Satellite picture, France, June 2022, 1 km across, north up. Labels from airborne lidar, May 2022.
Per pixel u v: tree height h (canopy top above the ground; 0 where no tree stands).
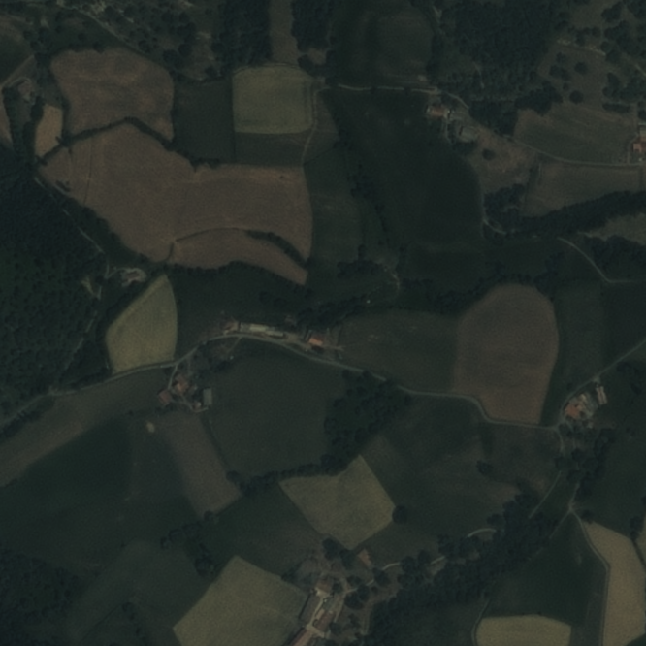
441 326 0
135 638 0
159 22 0
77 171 0
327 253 0
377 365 0
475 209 0
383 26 0
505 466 0
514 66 12
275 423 0
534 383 0
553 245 0
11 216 23
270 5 14
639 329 0
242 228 0
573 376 0
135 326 0
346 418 0
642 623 0
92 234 11
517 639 0
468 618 0
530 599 0
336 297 0
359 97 0
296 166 0
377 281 0
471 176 0
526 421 0
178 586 0
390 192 0
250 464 0
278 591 0
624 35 15
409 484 0
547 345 0
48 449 0
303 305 0
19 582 17
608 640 0
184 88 0
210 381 0
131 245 0
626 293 0
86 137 8
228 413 0
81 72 0
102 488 0
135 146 0
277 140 0
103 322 9
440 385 0
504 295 0
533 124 0
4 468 0
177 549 0
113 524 0
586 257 0
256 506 0
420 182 0
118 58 0
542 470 0
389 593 0
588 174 0
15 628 22
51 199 21
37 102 12
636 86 12
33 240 22
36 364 19
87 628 0
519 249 0
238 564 0
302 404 0
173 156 0
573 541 0
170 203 0
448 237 0
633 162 0
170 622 0
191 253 0
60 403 0
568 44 0
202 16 0
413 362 0
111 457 0
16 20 0
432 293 9
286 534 0
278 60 0
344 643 0
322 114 0
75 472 0
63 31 13
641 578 0
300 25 20
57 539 0
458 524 0
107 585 0
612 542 0
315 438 0
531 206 0
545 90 11
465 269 0
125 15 10
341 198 0
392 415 15
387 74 0
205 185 0
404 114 0
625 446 0
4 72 0
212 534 0
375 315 0
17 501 0
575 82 0
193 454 0
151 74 0
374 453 0
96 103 0
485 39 14
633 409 0
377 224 0
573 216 14
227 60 11
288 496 0
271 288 0
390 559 0
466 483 0
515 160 0
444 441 0
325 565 0
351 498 0
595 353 0
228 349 0
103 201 0
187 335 0
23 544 0
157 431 0
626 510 0
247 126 0
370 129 0
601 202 13
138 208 0
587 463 16
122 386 0
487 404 0
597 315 0
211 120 0
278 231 0
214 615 0
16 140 18
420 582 18
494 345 0
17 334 13
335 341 0
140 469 0
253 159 0
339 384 0
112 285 13
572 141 0
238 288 0
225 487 0
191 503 0
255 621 0
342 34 0
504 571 14
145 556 0
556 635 0
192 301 0
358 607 14
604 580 0
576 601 0
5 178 16
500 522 16
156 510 0
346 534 0
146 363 0
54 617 15
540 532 19
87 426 0
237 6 19
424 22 0
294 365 0
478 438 0
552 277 18
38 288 13
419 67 0
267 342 0
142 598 0
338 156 0
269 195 0
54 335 12
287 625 0
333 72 15
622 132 0
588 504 0
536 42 17
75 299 8
